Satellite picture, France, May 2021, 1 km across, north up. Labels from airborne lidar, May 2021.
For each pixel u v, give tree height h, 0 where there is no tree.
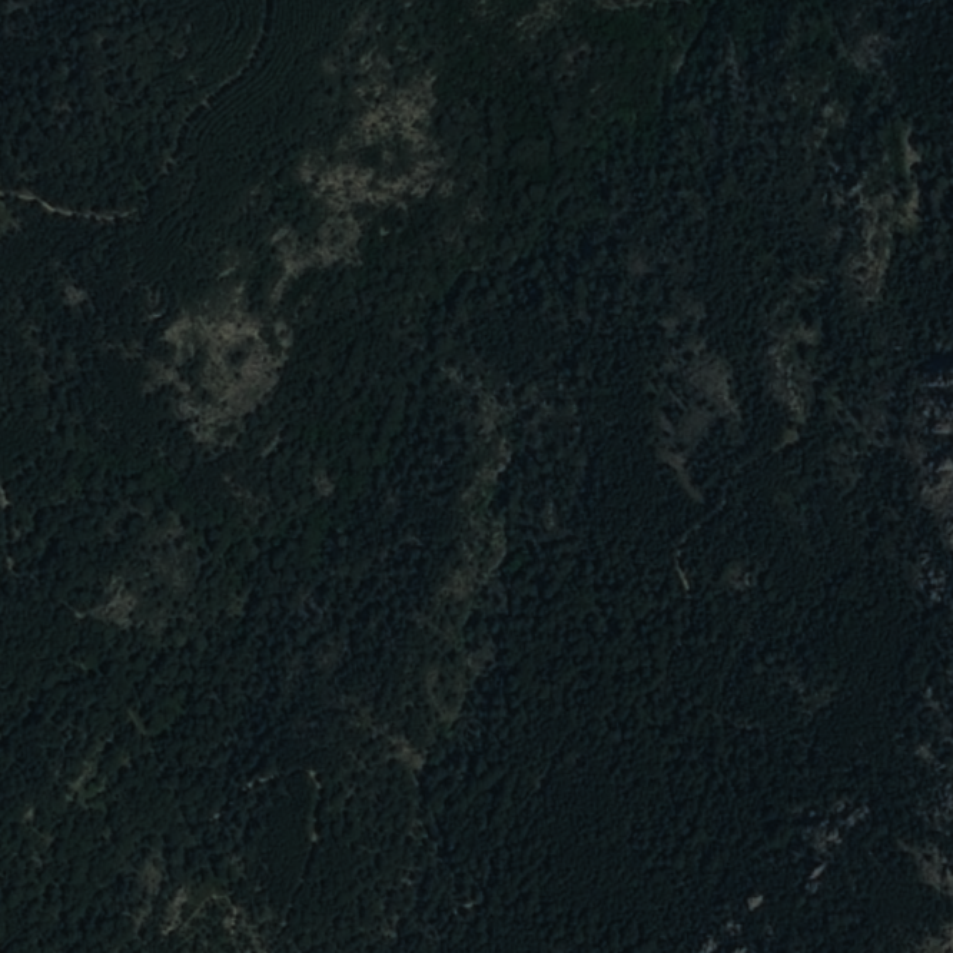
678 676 21
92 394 15
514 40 12
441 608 8
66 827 23
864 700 13
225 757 20
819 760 17
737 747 19
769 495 17
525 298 22
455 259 8
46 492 18
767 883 16
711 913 11
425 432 18
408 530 14
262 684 20
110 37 19
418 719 25
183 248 18
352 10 19
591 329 20
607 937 12
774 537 15
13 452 21
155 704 28
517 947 21
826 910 14
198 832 27
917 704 13
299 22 24
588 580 27
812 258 16
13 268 19
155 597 11
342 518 24
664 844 18
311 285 13
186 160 18
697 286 15
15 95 21
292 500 23
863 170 9
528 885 28
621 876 17
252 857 22
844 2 13
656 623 26
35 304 31
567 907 23
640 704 24
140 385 14
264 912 23
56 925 26
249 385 0
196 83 18
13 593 25
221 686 16
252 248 13
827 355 22
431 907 16
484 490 12
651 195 18
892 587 18
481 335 16
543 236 16
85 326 16
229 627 18
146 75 26
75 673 16
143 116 16
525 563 14
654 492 15
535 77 20
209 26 19
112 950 23
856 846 18
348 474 15
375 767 20
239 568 25
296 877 20
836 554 14
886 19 15
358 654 14
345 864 19
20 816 17
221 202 18
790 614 19
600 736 21
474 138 36
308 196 14
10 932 16
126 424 18
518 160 31
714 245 19
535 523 8
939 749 13
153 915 7
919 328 18
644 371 17
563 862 20
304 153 16
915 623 17
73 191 22
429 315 17
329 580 16
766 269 7
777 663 6
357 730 15
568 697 26
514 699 28
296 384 20
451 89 14
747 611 15
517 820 17
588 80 9
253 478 19
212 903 8
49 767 19
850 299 8
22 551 27
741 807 21
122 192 17
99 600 12
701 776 23
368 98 8
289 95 17
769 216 11
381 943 16
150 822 29
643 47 14
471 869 19
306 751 16
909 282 21
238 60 18
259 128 18
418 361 27
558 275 31
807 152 13
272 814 15
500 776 28
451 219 19
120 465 23
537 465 21
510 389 9
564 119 30
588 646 32
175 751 27
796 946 17
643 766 25
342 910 15
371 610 25
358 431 11
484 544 10
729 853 19
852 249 11
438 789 28
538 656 21
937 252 27
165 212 17
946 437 9
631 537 15
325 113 13
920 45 7
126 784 26
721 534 13
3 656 16
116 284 16
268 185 14
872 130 8
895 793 15
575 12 9
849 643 20
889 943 16
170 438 12
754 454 16
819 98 7
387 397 21
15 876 17
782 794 22
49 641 19
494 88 16
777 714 16
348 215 11
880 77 11
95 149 27
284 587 26
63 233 15
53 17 13
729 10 10
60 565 31
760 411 17
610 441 17
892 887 20
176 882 15
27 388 21
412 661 17
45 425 14
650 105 18
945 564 16
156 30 29
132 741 27
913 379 15
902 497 13
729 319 22
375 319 24
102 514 24
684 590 20
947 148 15
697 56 16
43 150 22
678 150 16
